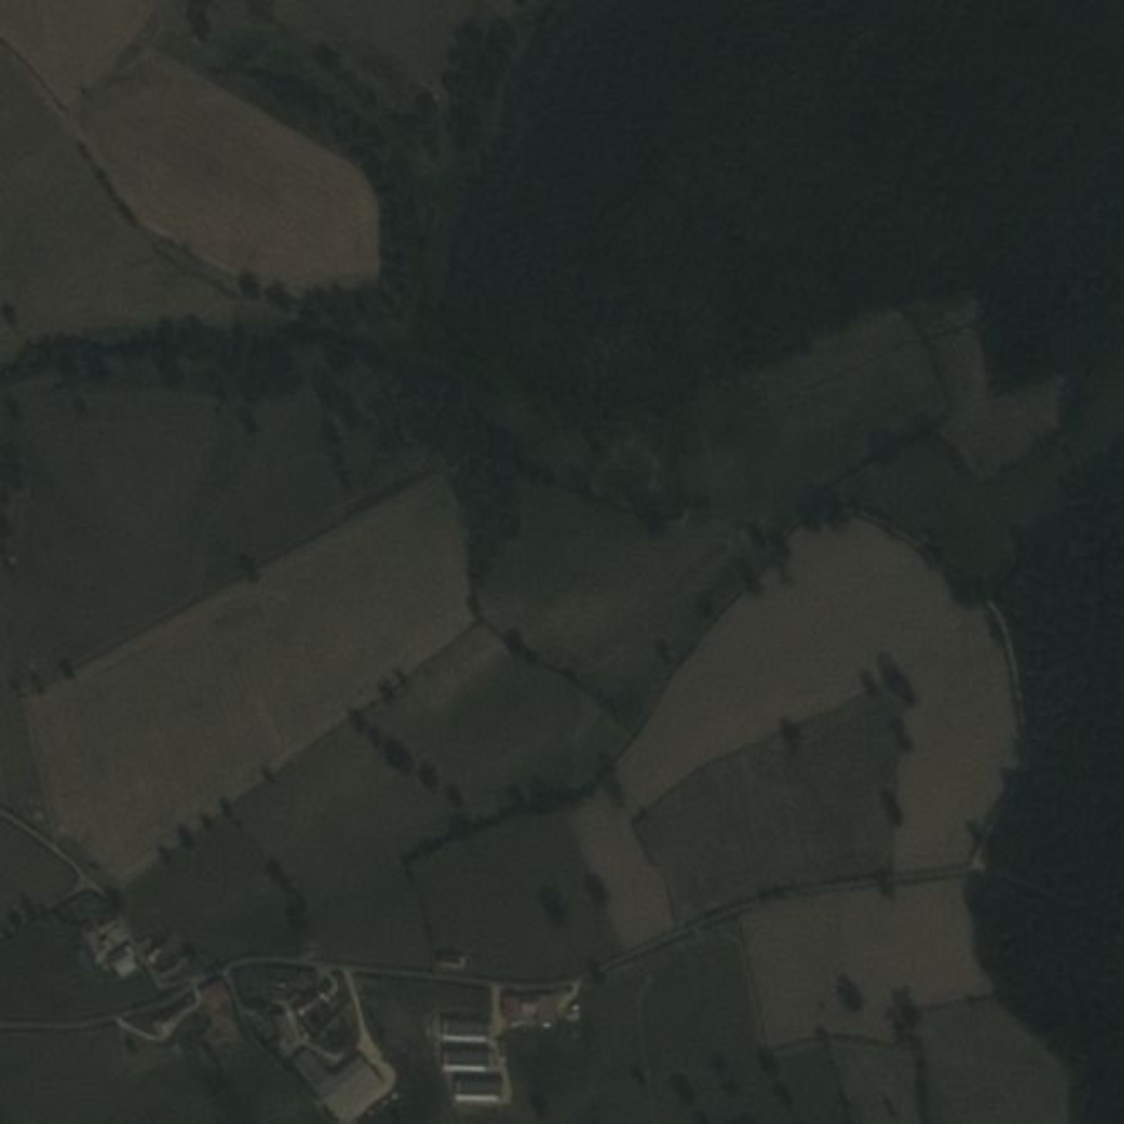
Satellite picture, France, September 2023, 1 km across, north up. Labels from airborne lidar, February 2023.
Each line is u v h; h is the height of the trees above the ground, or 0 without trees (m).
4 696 0
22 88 0
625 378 18
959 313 0
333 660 0
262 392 13
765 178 18
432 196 0
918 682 0
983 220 20
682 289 17
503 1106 0
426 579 0
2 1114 0
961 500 0
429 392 23
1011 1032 0
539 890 0
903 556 0
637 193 18
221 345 17
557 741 0
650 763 0
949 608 0
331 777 0
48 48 0
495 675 0
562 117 20
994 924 20
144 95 0
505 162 19
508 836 0
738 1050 0
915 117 19
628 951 0
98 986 0
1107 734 30
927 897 0
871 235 19
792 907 0
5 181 0
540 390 19
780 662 0
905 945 0
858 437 0
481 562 16
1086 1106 19
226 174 0
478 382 0
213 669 0
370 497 20
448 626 0
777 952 0
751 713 0
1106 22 18
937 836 0
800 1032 0
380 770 0
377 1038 0
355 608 0
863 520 0
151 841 0
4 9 0
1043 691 27
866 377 0
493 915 0
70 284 0
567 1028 0
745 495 0
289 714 0
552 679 0
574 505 0
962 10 19
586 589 0
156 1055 0
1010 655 0
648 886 0
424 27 0
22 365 6
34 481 0
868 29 17
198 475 0
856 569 0
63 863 0
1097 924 33
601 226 16
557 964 0
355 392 0
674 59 22
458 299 20
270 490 0
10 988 0
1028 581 14
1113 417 0
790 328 20
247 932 0
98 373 17
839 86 17
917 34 20
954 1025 0
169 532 0
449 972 0
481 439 22
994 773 0
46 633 0
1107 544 28
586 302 19
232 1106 0
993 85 20
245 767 0
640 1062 0
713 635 0
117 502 0
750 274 17
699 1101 0
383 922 0
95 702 0
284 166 0
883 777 0
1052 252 30
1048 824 29
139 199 0
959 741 0
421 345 0
